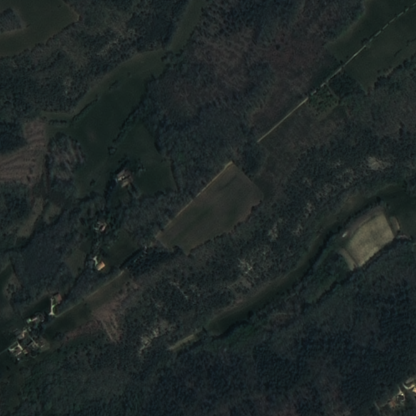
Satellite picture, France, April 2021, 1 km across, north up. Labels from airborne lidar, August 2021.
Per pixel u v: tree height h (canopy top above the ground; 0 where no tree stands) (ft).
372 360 69
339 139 52
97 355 25
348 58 30
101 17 58
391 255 57
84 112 28
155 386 43
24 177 0
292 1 48
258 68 46
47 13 0
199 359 48
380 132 51
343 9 57
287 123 0
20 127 63
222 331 0
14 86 57
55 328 0
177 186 38
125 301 39
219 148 64
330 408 43
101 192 0
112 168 0
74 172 28
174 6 46
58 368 49
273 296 0
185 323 39
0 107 79
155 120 64
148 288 69
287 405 27
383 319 51
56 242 58
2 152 68
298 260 52
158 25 38
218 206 0
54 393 85
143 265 30
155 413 66
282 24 49
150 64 0
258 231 46
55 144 71
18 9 0
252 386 54
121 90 0
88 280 68
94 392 80
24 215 79
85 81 18
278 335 66
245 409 34
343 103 39
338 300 57
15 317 0
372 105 65
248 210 0
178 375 74
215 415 57
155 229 60
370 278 45
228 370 51
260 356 66
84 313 0
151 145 0
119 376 41
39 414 60
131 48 44
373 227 0
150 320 68
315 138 0
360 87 48
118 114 0
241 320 0
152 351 30
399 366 67
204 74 38
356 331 37
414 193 55
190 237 0
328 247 63
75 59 39
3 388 20
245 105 63
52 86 24
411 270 54
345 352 33
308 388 50
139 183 0
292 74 0
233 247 39
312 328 70
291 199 46
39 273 49
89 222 34
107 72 71
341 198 63
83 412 41
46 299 0
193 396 71
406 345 73
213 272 19
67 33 51
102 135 0
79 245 22
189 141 68
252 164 63
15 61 36
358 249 0
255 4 40
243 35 0
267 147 0
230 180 0
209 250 62
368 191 62
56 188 72
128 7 55
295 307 69
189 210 0
